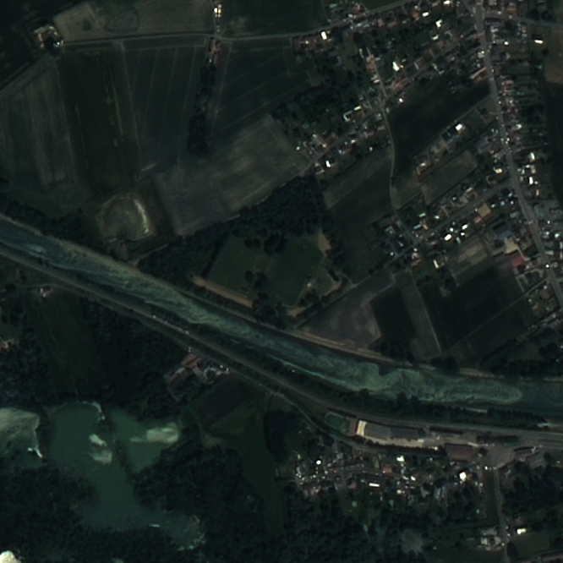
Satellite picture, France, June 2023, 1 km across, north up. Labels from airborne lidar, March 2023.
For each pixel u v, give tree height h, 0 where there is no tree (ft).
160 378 33
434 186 0
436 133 0
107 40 0
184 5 0
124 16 0
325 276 0
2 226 0
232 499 98
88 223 0
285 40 0
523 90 0
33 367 48
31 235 0
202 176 0
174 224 0
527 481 0
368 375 0
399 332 0
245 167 0
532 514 0
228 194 0
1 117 0
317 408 0
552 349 52
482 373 0
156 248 0
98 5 0
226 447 0
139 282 0
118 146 0
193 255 39
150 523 0
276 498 0
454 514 31
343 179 0
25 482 32
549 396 0
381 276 0
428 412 37
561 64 0
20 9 0
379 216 0
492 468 0
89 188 0
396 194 0
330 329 0
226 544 73
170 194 0
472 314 0
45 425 22
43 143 0
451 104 0
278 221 30
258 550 71
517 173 0
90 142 0
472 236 0
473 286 0
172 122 0
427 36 0
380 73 0
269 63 0
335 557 61
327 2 0
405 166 0
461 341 0
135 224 0
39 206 0
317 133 0
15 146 0
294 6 0
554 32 0
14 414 0
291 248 0
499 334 0
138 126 0
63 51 0
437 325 0
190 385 31
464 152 0
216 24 0
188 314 0
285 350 0
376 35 46
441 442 0
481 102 0
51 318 0
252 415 0
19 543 37
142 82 0
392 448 36
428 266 0
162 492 68
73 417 0
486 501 0
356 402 22
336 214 0
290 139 0
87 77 0
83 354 0
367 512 0
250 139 0
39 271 0
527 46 0
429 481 0
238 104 0
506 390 0
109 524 0
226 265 0
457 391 0
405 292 0
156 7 0
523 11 0
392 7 0
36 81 0
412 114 0
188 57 0
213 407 0
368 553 62
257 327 0
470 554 0
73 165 0
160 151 0
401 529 43
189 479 67
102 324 56
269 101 0
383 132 0
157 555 47
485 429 0
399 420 0
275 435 100
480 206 0
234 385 0
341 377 0
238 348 20
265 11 0
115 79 0
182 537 0
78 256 0
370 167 0
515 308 0
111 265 0
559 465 0
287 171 0
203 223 0
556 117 0
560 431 0
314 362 0
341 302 0
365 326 0
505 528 0
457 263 0
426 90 0
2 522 97
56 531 73
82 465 0
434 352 0
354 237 0
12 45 0
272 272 0
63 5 0
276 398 0
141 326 50
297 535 58
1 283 0
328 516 47
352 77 43
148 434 0
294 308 0
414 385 0
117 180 0
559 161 0
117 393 53
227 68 0
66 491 77
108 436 0
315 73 0
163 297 0
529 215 0
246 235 0
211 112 0
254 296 0
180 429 0
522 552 0
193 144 54
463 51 33
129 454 0
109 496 0
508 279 0
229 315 0
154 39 0
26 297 0
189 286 38
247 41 0
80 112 0
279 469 0
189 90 0
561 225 0
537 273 0
